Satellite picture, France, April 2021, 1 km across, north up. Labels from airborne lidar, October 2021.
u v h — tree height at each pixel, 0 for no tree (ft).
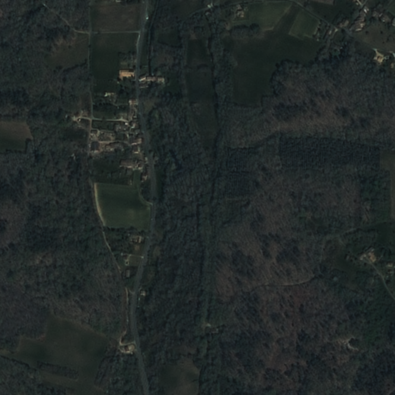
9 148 0
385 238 0
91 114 36
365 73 56
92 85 74
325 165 52
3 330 33
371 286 30
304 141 54
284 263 77
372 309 38
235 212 28
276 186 41
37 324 43
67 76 74
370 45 0
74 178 65
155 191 0
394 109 54
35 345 0
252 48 0
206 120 0
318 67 63
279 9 0
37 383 56
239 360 32
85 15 47
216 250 73
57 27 76
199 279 39
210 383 60
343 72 65
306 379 70
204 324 65
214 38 49
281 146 58
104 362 31
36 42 49
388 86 62
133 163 0
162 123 33
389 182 26
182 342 46
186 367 0
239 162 51
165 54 27
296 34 0
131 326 34
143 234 42
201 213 58
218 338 42
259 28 51
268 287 42
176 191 123
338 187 59
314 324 32
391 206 25
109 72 0
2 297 54
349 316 45
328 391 71
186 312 27
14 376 64
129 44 0
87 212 58
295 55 0
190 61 0
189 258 39
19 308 45
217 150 68
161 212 48
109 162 31
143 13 0
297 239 49
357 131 104
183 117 101
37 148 51
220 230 54
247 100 0
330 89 55
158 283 52
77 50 0
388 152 25
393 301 24
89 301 81
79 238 75
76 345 0
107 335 56
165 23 34
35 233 67
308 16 0
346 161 56
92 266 80
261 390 54
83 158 23
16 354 0
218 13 82
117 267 28
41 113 26
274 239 69
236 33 62
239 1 0
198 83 0
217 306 69
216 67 56
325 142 54
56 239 63
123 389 45
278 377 95
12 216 39
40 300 54
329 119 67
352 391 40
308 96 62
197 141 33
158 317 45
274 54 0
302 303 23
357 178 31
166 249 49
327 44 47
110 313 57
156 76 53
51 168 43
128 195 0
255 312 27
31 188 70
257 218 65
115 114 22
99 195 0
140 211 0
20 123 55
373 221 66
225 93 60
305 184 42
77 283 81
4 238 32
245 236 63
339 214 50
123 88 41
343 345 33
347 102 54
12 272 62
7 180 52
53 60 0
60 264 66
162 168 41
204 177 108
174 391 0
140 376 51
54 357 0
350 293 68
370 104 65
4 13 59
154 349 45
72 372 34
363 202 23
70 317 63
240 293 65
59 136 46
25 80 74
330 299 44
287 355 83
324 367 91
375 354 30
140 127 20
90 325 63
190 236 42
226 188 53
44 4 60
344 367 50
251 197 52
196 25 31
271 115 56
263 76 0
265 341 84
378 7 32
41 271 51
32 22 52
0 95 69
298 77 39
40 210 66
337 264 0
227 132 68
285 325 52
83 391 0
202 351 70
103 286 63
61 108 46
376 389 64
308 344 85
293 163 41
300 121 57
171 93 0
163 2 49
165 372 0
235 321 75
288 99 41
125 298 22
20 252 95
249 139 71
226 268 56
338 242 0
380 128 60
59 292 70
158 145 55
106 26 0
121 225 0
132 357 56
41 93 31
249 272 76
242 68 0
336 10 0
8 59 61
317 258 53
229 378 52
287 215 61
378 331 35
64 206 41
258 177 55
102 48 0
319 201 51
